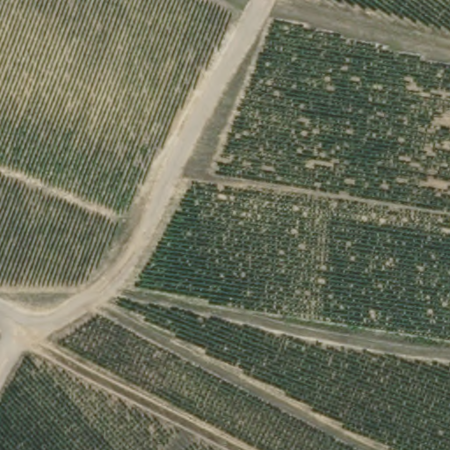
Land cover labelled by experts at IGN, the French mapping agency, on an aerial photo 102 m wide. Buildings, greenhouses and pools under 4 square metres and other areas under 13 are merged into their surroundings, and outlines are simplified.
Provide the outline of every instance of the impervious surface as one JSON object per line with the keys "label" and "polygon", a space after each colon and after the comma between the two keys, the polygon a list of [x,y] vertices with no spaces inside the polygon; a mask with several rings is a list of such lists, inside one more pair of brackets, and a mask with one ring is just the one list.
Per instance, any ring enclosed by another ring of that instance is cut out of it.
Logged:
{"label": "impervious surface", "polygon": [[178,116],[172,123],[169,139],[156,153],[148,178],[139,185],[137,192],[149,200],[141,225],[135,229],[134,236],[120,260],[112,265],[97,283],[93,283],[86,290],[81,290],[79,295],[69,297],[58,304],[39,308],[23,302],[0,299],[0,394],[23,353],[32,353],[39,355],[44,348],[53,350],[53,346],[56,345],[60,337],[69,336],[72,330],[88,322],[91,316],[95,315],[98,308],[104,308],[105,302],[111,301],[112,297],[120,297],[123,290],[132,292],[135,287],[135,281],[139,279],[144,265],[156,250],[156,244],[162,239],[167,225],[163,223],[162,218],[174,193],[174,185],[183,176],[183,167],[192,156],[207,121],[213,116],[214,107],[218,105],[223,91],[237,72],[239,63],[243,62],[244,56],[257,37],[258,28],[264,23],[271,26],[272,21],[272,5],[276,0],[250,0],[244,7],[241,18],[229,26],[229,32],[225,33],[220,49],[214,51],[209,69],[200,72],[197,88],[190,91],[185,107],[179,109]]}

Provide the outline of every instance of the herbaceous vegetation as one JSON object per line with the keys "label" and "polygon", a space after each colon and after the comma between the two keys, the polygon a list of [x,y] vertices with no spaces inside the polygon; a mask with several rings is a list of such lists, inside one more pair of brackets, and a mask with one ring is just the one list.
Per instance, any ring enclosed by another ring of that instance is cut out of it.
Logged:
{"label": "herbaceous vegetation", "polygon": [[149,200],[137,192],[132,204],[128,204],[121,211],[116,211],[114,218],[114,221],[125,223],[128,229],[120,237],[116,237],[111,250],[105,250],[102,264],[90,272],[86,281],[77,285],[0,287],[0,299],[23,302],[39,308],[58,304],[69,297],[79,295],[81,290],[86,290],[93,283],[97,283],[112,265],[120,260],[134,236],[135,229],[141,225]]}
{"label": "herbaceous vegetation", "polygon": [[223,153],[223,148],[227,144],[234,121],[239,116],[239,105],[250,86],[253,72],[257,69],[258,56],[264,51],[265,37],[271,26],[264,23],[258,28],[257,37],[244,56],[243,62],[239,63],[237,72],[223,91],[218,105],[214,107],[213,116],[207,121],[192,156],[183,167],[183,176],[174,185],[174,193],[162,218],[163,223],[167,225],[172,214],[178,211],[179,202],[192,183],[216,185],[223,178],[216,172],[218,163],[230,163],[234,160],[234,155]]}
{"label": "herbaceous vegetation", "polygon": [[105,302],[104,308],[98,308],[95,315],[104,316],[109,322],[116,323],[135,336],[148,341],[149,345],[174,353],[181,362],[202,367],[206,373],[232,383],[234,387],[241,390],[248,387],[257,388],[257,396],[265,403],[274,404],[290,417],[301,418],[313,427],[329,427],[336,441],[353,445],[357,450],[390,450],[385,443],[348,431],[336,420],[316,413],[308,404],[287,396],[281,388],[251,378],[244,374],[241,367],[214,359],[207,355],[204,348],[181,341],[172,330],[148,322],[141,313],[120,308],[118,299],[128,299],[139,304],[155,304],[162,308],[185,309],[200,318],[214,316],[234,325],[248,325],[253,329],[264,330],[274,336],[290,336],[308,343],[318,343],[323,348],[332,346],[337,350],[396,355],[406,360],[422,360],[427,364],[450,364],[450,339],[445,339],[445,345],[441,348],[406,345],[404,337],[413,337],[413,334],[403,329],[385,330],[369,327],[366,332],[359,334],[341,334],[283,322],[279,313],[253,311],[234,304],[211,304],[207,299],[200,297],[135,287],[132,292],[123,290],[120,297],[112,297],[111,301]]}
{"label": "herbaceous vegetation", "polygon": [[179,410],[160,397],[149,394],[141,387],[130,385],[109,369],[97,366],[90,360],[83,360],[67,348],[56,345],[53,346],[53,350],[44,348],[39,355],[32,353],[33,362],[37,366],[47,360],[47,364],[67,371],[72,378],[77,378],[84,385],[100,390],[116,401],[123,401],[127,406],[137,408],[149,417],[158,418],[163,429],[176,427],[192,434],[197,443],[213,446],[216,450],[258,450],[218,427]]}
{"label": "herbaceous vegetation", "polygon": [[420,21],[399,18],[396,14],[373,11],[337,0],[276,0],[272,5],[272,21],[287,21],[292,25],[315,28],[318,32],[341,33],[341,39],[345,40],[346,44],[364,42],[388,53],[415,54],[424,62],[445,62],[450,65],[450,30],[434,28]]}

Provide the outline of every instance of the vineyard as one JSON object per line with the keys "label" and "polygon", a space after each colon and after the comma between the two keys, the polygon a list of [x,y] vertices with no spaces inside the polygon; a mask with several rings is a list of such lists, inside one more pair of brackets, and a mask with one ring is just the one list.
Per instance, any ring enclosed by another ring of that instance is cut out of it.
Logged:
{"label": "vineyard", "polygon": [[445,339],[450,339],[450,65],[445,62],[424,62],[415,54],[388,53],[364,42],[346,44],[345,40],[341,39],[341,33],[318,32],[315,28],[292,25],[287,21],[272,21],[271,26],[265,37],[264,51],[258,56],[257,69],[253,72],[250,86],[239,105],[239,116],[234,121],[227,144],[223,148],[223,153],[234,155],[234,160],[230,163],[218,163],[216,172],[223,178],[216,185],[192,183],[179,202],[178,211],[172,214],[167,225],[162,239],[156,244],[156,250],[144,265],[139,279],[135,281],[135,287],[200,297],[207,299],[211,304],[234,304],[253,311],[279,313],[283,322],[341,334],[359,334],[366,332],[369,327],[385,330],[403,329],[413,334],[413,337],[404,337],[406,345],[441,348],[445,345]]}
{"label": "vineyard", "polygon": [[32,353],[23,353],[0,394],[0,450],[216,450],[213,446],[197,443],[192,434],[176,427],[163,429],[158,418],[149,417],[137,408],[127,406],[123,401],[116,401],[100,390],[84,385],[77,378],[72,378],[67,371],[47,364],[47,360],[37,366],[33,362]]}
{"label": "vineyard", "polygon": [[121,211],[128,204],[132,204],[137,192],[139,185],[148,178],[156,153],[169,139],[172,123],[178,116],[179,109],[185,107],[190,91],[197,88],[200,72],[209,69],[214,51],[220,49],[225,33],[229,32],[229,26],[241,18],[244,7],[250,0],[0,0],[0,287],[77,285],[86,281],[90,272],[102,264],[105,250],[111,250],[116,237],[120,237],[128,229],[125,223],[114,221],[114,218],[116,211]]}
{"label": "vineyard", "polygon": [[336,420],[348,431],[385,443],[390,450],[450,450],[450,364],[427,364],[422,360],[406,360],[396,355],[337,350],[332,346],[323,348],[318,343],[308,343],[290,336],[274,336],[264,330],[253,329],[248,325],[234,325],[214,316],[200,318],[185,309],[162,308],[155,304],[139,304],[128,299],[118,299],[120,308],[141,313],[148,322],[172,330],[181,341],[204,348],[207,355],[214,359],[241,367],[244,374],[251,378],[281,388],[287,396],[308,404],[316,413]]}
{"label": "vineyard", "polygon": [[434,28],[450,30],[450,0],[337,0],[373,11],[396,14],[399,18],[420,21]]}
{"label": "vineyard", "polygon": [[60,337],[56,345],[67,348],[83,360],[90,360],[97,366],[109,369],[130,385],[141,387],[149,394],[160,397],[179,410],[218,427],[258,450],[357,450],[353,445],[336,441],[329,427],[313,427],[301,418],[290,417],[274,404],[265,403],[257,396],[257,388],[248,387],[241,390],[234,387],[232,383],[206,373],[202,367],[181,362],[174,353],[149,345],[148,341],[135,336],[116,323],[109,322],[104,316],[95,315],[91,316],[88,322],[72,330],[69,336]]}

